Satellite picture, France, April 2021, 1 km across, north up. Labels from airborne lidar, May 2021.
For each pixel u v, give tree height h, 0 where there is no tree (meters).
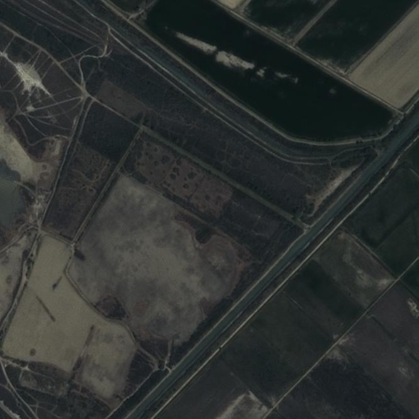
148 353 0
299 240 0
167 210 0
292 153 0
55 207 0
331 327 0
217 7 0
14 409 0
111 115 0
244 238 7
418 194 0
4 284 0
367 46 0
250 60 0
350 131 0
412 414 0
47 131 0
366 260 0
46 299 0
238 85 0
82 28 0
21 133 0
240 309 0
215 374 0
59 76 0
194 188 0
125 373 0
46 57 0
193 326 0
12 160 0
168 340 0
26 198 0
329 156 0
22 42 0
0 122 0
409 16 0
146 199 0
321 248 0
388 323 0
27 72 0
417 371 0
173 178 6
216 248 0
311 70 0
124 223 0
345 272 0
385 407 0
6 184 0
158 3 0
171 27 0
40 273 0
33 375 0
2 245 0
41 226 0
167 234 0
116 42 0
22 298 0
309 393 0
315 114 0
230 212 0
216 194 0
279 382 0
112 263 0
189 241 0
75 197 0
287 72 0
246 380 0
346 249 0
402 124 6
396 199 0
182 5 0
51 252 0
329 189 0
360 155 7
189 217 0
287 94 0
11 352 0
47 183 0
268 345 0
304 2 0
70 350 0
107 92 0
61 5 0
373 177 6
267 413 0
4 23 0
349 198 0
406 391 0
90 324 0
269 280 0
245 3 0
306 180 0
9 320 0
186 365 0
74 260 0
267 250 6
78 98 0
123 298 0
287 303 0
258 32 0
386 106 0
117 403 0
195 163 6
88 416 0
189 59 0
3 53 0
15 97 0
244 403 0
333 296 0
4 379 0
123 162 0
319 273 0
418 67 0
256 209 0
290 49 0
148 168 0
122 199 0
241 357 0
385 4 0
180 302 0
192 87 0
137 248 0
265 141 0
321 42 0
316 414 0
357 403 0
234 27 0
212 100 0
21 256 0
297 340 0
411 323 0
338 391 0
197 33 0
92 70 0
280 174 0
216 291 0
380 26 0
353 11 0
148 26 0
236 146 0
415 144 8
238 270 0
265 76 0
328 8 0
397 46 0
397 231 0
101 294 0
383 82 0
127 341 0
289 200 9
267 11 0
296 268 0
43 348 0
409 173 0
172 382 0
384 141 8
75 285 0
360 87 0
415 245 0
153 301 0
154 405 6
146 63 0
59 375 0
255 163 0
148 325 0
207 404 0
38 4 0
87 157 0
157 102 7
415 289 0
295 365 0
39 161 0
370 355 0
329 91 0
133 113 0
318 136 0
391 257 0
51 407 0
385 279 0
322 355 0
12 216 0
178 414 0
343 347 0
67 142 0
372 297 0
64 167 7
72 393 0
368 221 0
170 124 0
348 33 0
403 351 0
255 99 0
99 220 0
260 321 0
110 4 0
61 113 0
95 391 0
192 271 0
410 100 0
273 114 0
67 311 0
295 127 0
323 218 0
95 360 0
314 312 0
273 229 0
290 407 0
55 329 0
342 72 0
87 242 0
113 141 6
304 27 0
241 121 0
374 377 0
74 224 0
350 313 0
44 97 0
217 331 0
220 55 0
